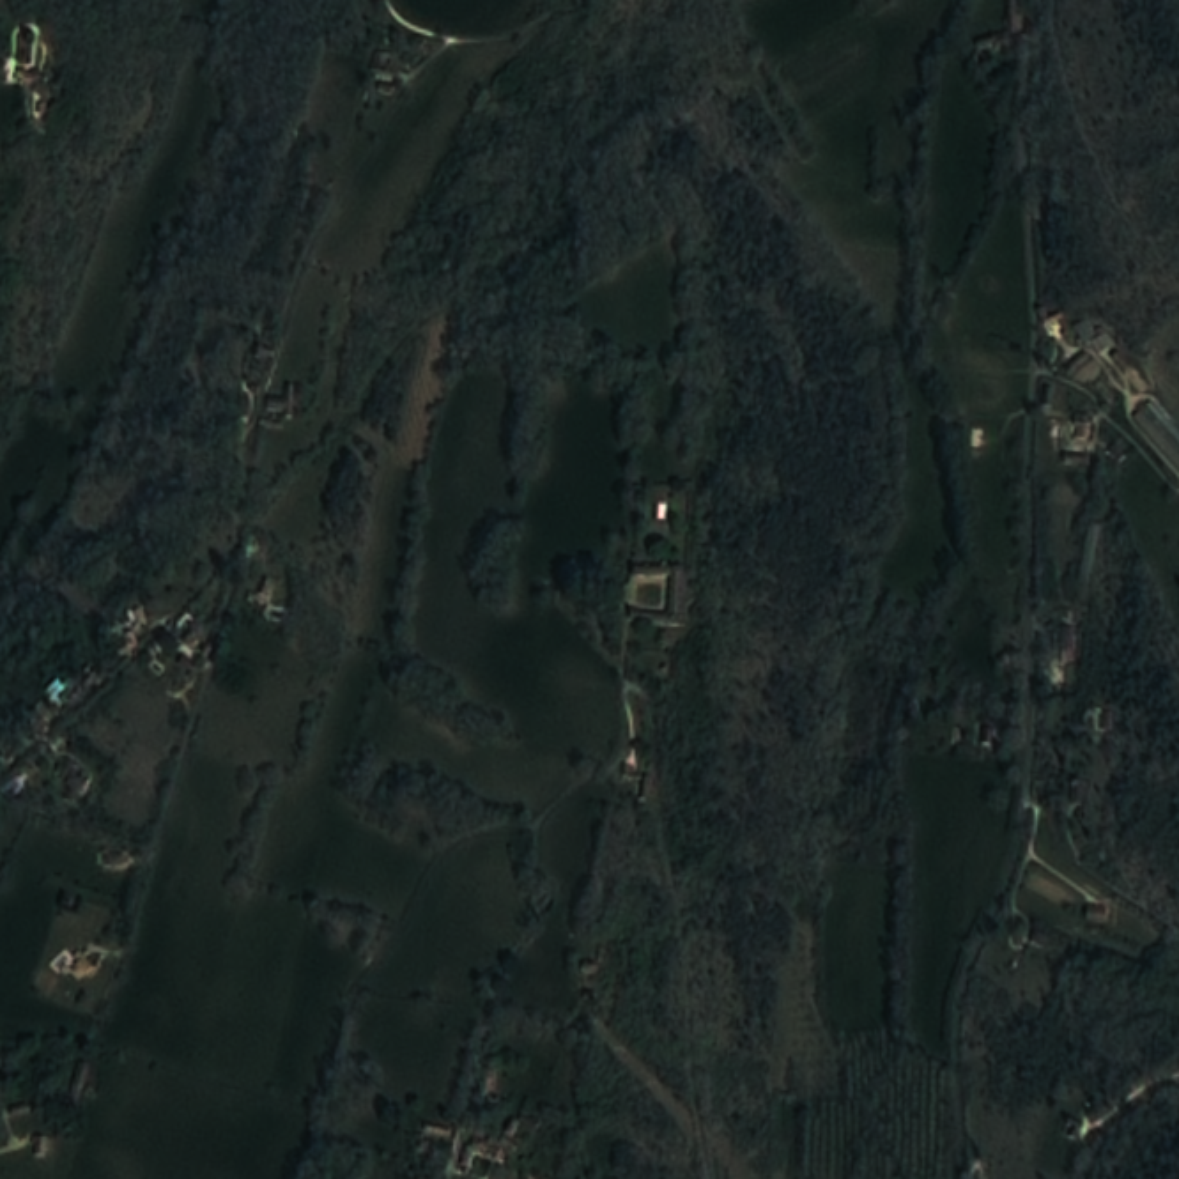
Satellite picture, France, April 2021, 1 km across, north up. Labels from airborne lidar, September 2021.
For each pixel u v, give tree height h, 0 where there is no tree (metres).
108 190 19
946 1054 0
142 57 14
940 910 0
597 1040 27
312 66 19
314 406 12
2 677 15
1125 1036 22
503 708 0
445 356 7
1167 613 13
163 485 8
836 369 12
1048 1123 0
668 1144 10
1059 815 9
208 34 12
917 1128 30
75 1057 6
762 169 16
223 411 17
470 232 15
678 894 17
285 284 12
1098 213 11
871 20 0
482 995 12
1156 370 0
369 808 13
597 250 25
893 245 0
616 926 26
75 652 18
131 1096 0
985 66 14
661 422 0
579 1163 17
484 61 0
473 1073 17
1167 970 20
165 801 15
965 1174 11
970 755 12
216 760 0
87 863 0
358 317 10
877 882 0
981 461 0
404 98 17
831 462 17
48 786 6
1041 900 0
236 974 0
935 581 0
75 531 13
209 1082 0
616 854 16
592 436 0
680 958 14
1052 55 17
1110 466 6
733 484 23
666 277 0
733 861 15
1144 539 0
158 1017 0
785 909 13
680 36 23
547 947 0
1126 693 12
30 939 0
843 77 0
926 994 0
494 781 0
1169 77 7
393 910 0
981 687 14
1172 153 12
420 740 0
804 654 18
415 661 15
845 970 0
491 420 0
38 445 0
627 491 15
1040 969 0
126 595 7
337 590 14
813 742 22
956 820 0
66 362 0
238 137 12
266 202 11
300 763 15
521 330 22
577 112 20
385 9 14
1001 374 0
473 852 0
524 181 21
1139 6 8
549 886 17
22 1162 0
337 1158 27
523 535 10
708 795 12
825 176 0
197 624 8
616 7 13
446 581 0
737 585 18
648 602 0
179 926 0
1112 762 13
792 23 0
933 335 7
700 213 17
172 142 0
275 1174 0
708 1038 12
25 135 13
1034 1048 7
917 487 0
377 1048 0
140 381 7
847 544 14
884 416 12
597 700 0
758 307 15
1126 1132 14
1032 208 19
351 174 0
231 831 0
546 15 15
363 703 9
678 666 15
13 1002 0
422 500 16
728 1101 9
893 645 16
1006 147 7
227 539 11
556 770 0
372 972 0
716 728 13
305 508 0
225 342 16
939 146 0
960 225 0
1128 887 13
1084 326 0
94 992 0
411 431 0
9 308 15
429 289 20
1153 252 13
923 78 15
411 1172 6
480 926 0
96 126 18
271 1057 0
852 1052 22
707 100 12
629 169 19
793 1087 8
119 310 0
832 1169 29
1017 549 9
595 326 0
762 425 18
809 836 22
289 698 0
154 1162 0
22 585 20
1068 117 14
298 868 0
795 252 20
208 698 0
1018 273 0
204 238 16
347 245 0
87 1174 0
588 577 20
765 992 14
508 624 0
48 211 19
